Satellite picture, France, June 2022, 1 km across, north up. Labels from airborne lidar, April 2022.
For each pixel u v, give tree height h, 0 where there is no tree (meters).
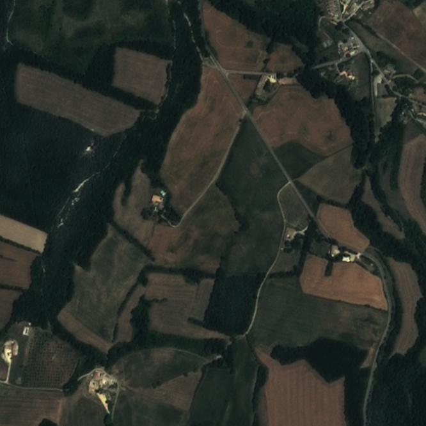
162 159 9
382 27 0
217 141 0
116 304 0
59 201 7
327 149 0
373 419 8
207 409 0
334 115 0
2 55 9
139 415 0
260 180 0
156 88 0
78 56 8
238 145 0
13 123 8
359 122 15
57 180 8
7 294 0
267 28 18
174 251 0
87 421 0
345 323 0
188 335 0
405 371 10
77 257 8
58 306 15
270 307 0
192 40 7
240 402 0
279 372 0
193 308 0
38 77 0
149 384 0
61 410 0
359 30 0
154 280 0
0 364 0
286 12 13
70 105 0
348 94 15
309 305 0
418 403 10
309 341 0
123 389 0
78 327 0
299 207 0
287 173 0
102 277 0
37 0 0
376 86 0
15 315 11
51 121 6
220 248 0
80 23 0
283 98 0
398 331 14
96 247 14
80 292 0
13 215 7
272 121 0
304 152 0
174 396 0
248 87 0
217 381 0
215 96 0
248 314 12
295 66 0
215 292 12
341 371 7
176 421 0
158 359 0
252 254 0
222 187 17
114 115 0
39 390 0
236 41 0
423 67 0
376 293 0
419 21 0
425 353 0
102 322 0
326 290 0
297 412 0
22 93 0
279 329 0
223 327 12
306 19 13
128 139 10
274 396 0
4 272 0
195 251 0
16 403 0
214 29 0
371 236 8
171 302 0
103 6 0
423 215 0
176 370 0
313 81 23
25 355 0
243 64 0
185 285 0
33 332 0
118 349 9
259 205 0
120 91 12
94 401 0
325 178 0
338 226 0
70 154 8
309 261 0
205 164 0
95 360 8
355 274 0
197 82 16
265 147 0
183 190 0
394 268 0
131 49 12
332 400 0
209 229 0
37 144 8
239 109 0
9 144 6
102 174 9
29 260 0
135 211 0
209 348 13
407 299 0
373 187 10
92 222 13
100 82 15
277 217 0
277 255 0
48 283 6
